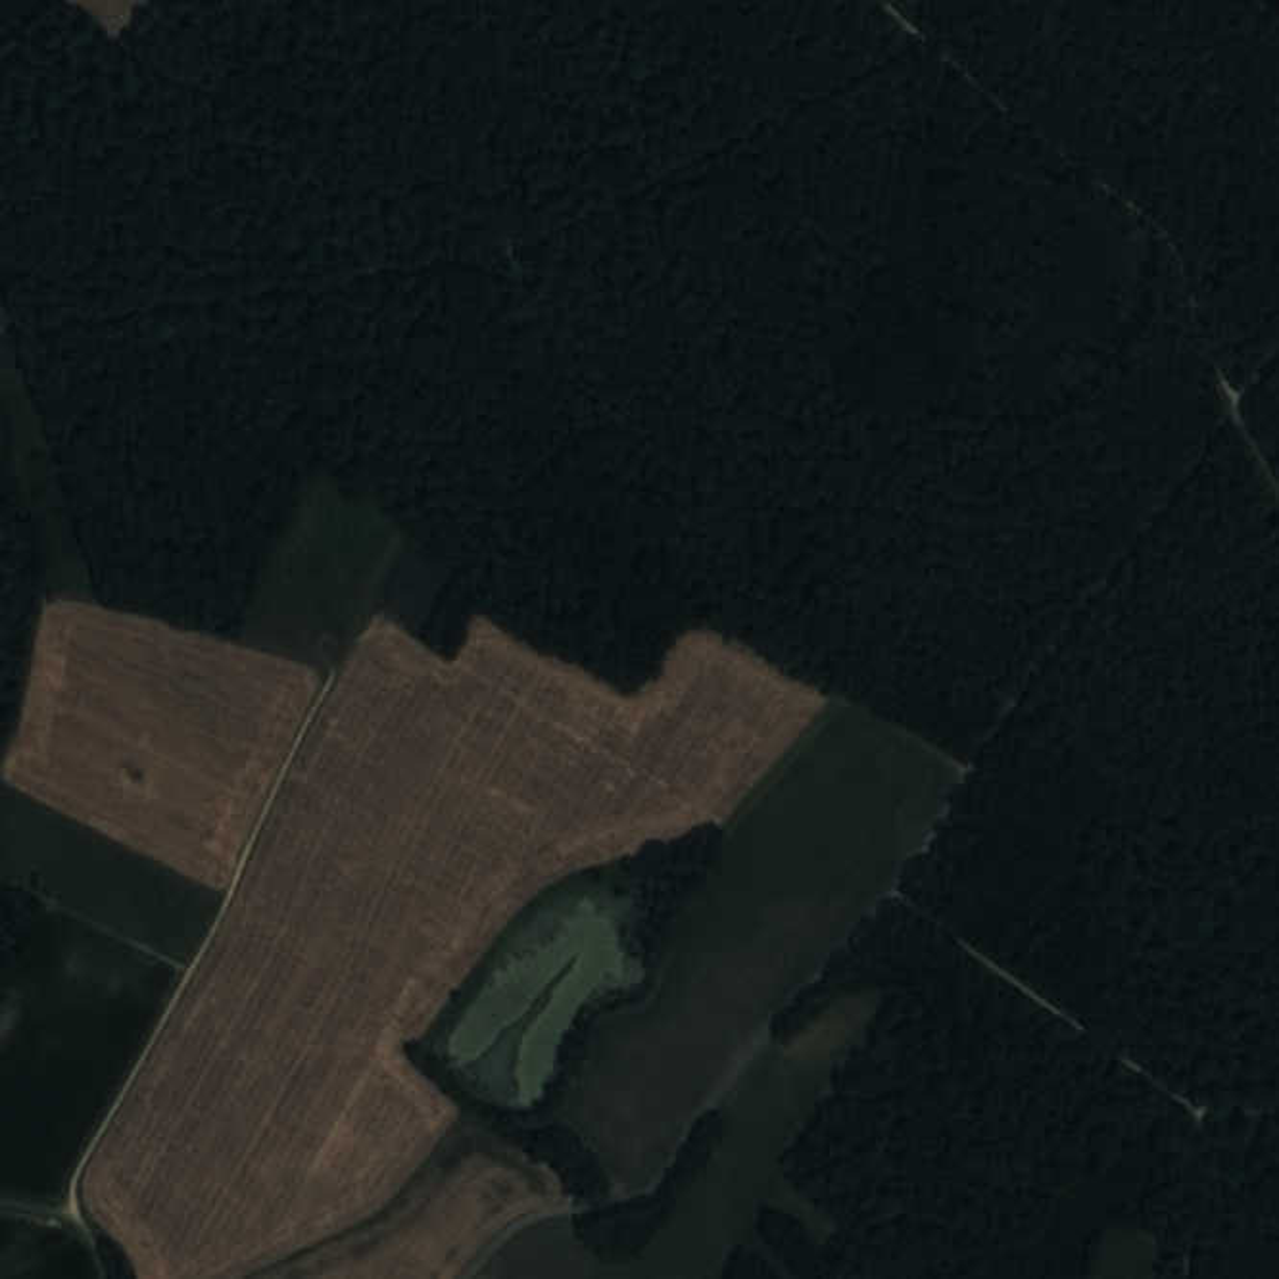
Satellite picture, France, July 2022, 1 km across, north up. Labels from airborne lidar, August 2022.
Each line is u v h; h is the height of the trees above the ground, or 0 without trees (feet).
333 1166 0
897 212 63
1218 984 70
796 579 83
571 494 109
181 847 0
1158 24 86
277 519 78
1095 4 78
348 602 0
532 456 107
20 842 0
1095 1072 66
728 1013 0
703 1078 0
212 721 0
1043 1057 75
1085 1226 33
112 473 80
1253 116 83
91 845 0
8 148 85
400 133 81
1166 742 74
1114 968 46
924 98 94
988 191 21
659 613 91
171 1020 0
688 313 80
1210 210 73
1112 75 79
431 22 80
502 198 81
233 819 0
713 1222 0
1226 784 77
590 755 0
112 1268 65
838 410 83
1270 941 69
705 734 0
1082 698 78
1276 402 75
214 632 33
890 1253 90
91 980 0
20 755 0
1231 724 74
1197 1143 79
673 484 96
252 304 73
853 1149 66
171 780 0
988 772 58
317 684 0
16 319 60
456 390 78
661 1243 0
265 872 0
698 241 84
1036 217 91
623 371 82
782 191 93
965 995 87
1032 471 88
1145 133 89
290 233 78
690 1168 59
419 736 0
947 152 90
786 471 83
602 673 67
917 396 74
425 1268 0
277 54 54
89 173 83
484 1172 0
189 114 57
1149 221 39
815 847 0
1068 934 48
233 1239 0
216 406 87
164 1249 0
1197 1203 71
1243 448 83
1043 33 82
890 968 67
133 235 50
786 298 80
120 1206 0
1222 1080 66
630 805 0
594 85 84
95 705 0
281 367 73
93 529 68
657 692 0
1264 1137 48
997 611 78
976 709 47
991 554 72
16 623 49
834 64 83
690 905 37
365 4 85
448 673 0
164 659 0
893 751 0
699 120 80
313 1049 0
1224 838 55
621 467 108
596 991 0
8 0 0
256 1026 0
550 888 0
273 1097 0
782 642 76
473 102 86
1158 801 71
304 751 0
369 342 86
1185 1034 69
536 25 68
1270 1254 54
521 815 0
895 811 0
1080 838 39
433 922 0
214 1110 0
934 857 30
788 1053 0
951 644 81
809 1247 69
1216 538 68
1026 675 60
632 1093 0
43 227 87
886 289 82
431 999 0
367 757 0
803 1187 71
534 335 87
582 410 76
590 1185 61
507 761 0
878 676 82
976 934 54
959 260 66
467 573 57
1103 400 85
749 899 0
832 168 69
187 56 84
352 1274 0
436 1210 0
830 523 79
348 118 83
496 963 0
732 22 82
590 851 0
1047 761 48
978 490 91
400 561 0
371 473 86
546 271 85
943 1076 85
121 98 27
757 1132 0
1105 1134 74
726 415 85
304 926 0
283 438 87
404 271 85
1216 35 65
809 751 0
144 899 0
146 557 76
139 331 83
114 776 0
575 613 92
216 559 79
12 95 33
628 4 89
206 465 88
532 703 0
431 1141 0
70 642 0
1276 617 87
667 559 105
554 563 99
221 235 82
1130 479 73
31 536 67
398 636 0
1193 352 88
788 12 72
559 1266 0
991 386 18
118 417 84
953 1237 78
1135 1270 0
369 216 97
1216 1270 60
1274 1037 81
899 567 76
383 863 0
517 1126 34
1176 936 74
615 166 95
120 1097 0
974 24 55
